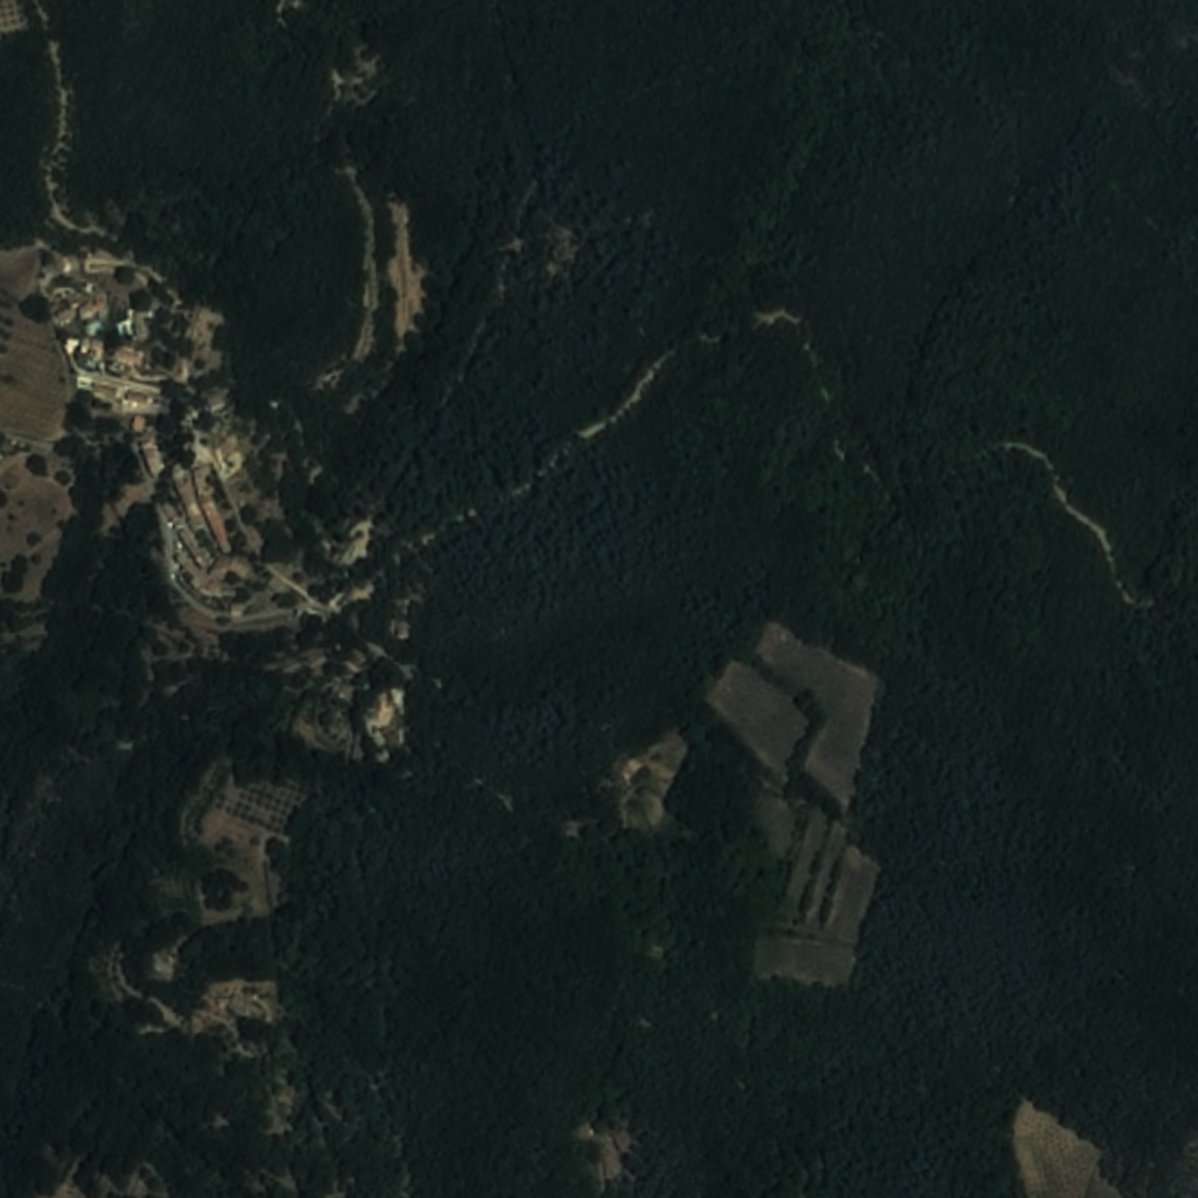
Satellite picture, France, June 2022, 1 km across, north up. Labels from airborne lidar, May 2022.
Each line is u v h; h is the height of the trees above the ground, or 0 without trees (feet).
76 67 29
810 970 0
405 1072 32
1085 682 30
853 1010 34
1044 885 52
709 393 29
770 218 29
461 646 38
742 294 39
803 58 44
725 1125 41
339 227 44
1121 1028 44
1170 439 47
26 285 0
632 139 21
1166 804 47
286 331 43
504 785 25
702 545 38
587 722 47
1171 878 30
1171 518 36
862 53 28
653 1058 34
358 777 59
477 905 41
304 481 45
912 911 73
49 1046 65
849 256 25
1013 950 59
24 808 39
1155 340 21
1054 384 38
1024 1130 0
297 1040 52
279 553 47
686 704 53
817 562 47
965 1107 54
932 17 25
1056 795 38
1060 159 22
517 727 47
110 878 62
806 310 31
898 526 56
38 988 24
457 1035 56
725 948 43
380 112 42
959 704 54
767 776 22
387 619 30
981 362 28
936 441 37
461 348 40
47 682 53
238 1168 59
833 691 0
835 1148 24
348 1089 61
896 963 48
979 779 58
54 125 28
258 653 48
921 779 45
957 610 25
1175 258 43
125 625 54
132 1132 53
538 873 31
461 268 37
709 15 29
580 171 28
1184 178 23
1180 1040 42
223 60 40
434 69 34
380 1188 60
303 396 45
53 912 30
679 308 25
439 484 34
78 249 24
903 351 34
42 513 0
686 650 40
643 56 21
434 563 33
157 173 57
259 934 58
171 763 42
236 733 62
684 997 36
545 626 21
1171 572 53
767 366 35
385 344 31
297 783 19
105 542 31
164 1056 38
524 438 26
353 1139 32
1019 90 24
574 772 29
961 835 42
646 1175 34
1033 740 19
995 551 47
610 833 38
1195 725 24
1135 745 34
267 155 57
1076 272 25
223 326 25
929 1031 53
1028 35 36
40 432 0
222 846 22
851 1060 44
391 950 52
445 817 40
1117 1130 49
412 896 51
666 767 0
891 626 39
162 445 34
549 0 43
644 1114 46
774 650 0
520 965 46
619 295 21
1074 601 26
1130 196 23
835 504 32
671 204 23
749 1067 48
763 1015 25
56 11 27
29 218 36
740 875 33
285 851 38
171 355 45
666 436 30
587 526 52
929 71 25
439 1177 31
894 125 43
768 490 31
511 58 31
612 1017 43
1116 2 23
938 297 50
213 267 40
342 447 47
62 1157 34
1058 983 62
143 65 21
